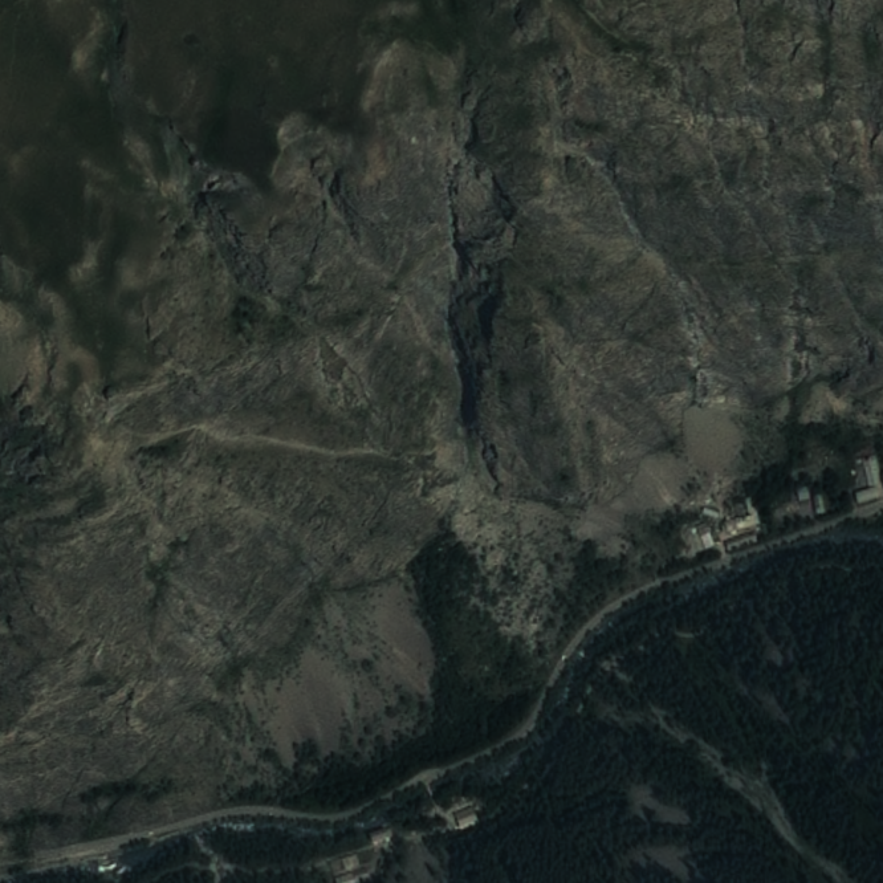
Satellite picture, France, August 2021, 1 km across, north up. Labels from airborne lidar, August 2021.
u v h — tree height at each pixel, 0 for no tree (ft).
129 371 0
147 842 34
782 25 0
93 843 0
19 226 0
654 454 0
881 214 0
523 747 25
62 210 0
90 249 0
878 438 28
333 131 0
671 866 0
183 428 0
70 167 0
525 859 102
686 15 0
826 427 33
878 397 0
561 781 113
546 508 0
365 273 0
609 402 0
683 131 0
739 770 26
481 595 23
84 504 0
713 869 77
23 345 0
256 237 0
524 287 0
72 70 0
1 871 0
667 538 29
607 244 0
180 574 0
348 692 0
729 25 0
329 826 35
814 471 0
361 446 0
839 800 65
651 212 0
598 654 28
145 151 0
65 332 0
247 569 0
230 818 28
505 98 0
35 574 0
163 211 0
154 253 0
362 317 25
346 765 18
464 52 0
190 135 0
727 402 0
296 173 0
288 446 0
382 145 0
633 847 41
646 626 31
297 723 0
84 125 0
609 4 0
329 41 0
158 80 0
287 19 0
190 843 54
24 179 0
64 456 0
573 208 0
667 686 50
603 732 22
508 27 0
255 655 0
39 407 0
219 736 0
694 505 0
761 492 38
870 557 61
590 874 109
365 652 0
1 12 0
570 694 27
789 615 75
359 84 0
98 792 64
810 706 51
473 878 56
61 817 31
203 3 0
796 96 0
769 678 59
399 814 53
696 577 37
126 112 0
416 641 0
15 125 0
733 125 0
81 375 0
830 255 0
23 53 0
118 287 0
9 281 0
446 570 27
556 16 0
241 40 0
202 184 0
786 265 0
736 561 36
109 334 0
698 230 0
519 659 32
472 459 0
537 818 34
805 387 0
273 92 0
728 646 32
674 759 67
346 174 0
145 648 0
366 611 0
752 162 0
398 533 27
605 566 69
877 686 31
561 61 0
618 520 0
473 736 42
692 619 81
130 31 0
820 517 33
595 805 53
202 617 0
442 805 43
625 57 0
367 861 0
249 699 0
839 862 27
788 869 25
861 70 0
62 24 0
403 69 0
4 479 0
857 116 0
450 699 35
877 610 35
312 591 0
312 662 0
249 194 0
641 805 0
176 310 0
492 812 21
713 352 0
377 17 0
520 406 0
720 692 22
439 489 0
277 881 39
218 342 0
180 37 0
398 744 39
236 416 0
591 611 27
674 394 0
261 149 0
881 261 0
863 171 0
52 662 0
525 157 0
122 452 0
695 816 48
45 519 0
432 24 0
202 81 0
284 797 33
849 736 31
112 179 0
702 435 0
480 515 0
